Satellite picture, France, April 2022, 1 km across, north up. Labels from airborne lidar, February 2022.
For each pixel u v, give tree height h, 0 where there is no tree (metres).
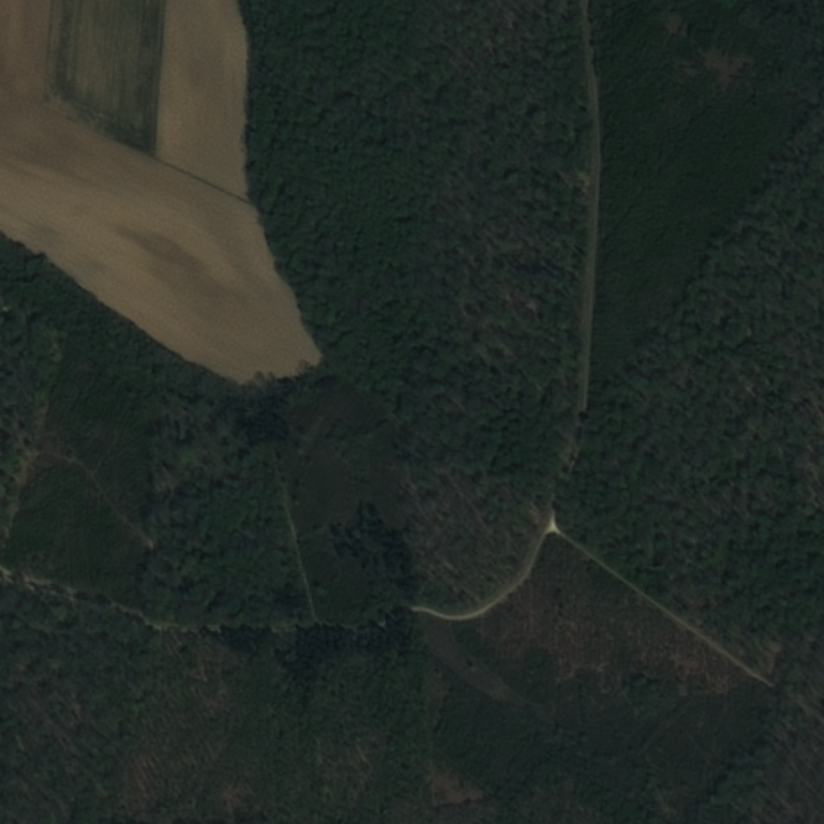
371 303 28
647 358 27
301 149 26
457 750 7
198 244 0
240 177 0
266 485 24
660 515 28
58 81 0
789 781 26
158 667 16
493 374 27
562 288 27
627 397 26
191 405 22
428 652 7
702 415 29
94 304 14
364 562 33
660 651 8
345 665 19
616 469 31
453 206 27
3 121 0
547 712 0
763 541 23
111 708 32
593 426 26
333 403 0
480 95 31
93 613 29
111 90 0
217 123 0
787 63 16
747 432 29
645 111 9
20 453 31
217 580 22
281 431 24
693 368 29
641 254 6
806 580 25
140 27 0
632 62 6
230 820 16
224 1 0
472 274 30
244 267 0
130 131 0
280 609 23
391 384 27
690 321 23
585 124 27
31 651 26
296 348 0
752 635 29
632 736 7
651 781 15
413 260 29
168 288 0
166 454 29
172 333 0
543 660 6
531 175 26
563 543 8
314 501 0
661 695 18
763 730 8
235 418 26
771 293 31
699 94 6
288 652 20
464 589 27
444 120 27
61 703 33
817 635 27
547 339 26
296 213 28
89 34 0
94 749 34
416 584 25
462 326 33
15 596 29
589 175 29
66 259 0
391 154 23
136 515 7
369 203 21
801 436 31
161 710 13
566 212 28
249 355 0
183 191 0
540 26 26
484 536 24
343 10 23
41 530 7
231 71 0
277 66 28
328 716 19
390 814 20
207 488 31
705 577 30
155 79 0
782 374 26
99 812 30
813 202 28
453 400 31
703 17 8
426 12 27
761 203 27
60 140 0
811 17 21
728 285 28
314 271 27
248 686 17
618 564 27
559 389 26
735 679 6
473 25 27
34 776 29
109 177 0
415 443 29
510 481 29
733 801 24
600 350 10
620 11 13
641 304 10
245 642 22
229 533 28
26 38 0
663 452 30
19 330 30
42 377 31
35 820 32
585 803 16
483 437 28
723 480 15
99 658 31
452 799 0
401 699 20
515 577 22
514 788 16
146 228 0
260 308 0
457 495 30
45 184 0
